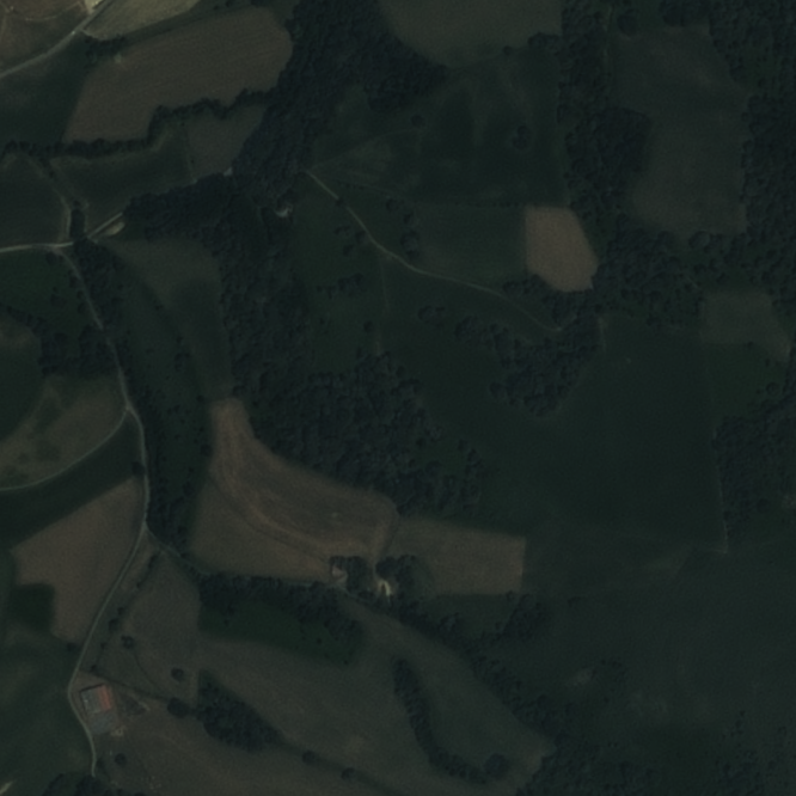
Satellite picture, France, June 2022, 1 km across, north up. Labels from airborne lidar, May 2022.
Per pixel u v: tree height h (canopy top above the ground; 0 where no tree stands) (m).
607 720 0
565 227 0
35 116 0
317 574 0
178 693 0
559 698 0
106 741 0
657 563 0
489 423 0
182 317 0
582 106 8
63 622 0
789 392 11
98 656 0
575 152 17
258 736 15
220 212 14
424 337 0
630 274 12
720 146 0
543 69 0
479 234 0
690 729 0
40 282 0
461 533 0
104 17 0
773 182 18
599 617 0
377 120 0
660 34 0
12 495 0
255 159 22
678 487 0
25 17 0
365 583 0
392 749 0
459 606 0
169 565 0
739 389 0
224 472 0
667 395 0
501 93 0
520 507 0
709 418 0
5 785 0
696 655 0
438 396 0
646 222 0
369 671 0
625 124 19
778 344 0
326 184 0
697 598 0
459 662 0
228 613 9
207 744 0
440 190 0
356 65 20
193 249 0
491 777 12
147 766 0
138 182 0
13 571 0
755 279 12
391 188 0
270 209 12
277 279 23
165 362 0
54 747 0
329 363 0
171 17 0
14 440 0
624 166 19
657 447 0
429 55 0
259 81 0
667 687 0
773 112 18
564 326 14
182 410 10
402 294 0
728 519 11
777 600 0
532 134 13
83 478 0
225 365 0
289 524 0
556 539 0
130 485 0
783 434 19
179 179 0
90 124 0
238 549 0
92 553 0
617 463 0
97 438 0
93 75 0
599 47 18
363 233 10
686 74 0
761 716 0
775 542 0
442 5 0
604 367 0
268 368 18
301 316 19
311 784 0
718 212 0
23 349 0
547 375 13
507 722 0
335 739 0
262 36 0
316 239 0
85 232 11
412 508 18
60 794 14
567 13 10
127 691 0
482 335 18
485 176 0
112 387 0
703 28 0
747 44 7
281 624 0
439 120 0
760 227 13
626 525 0
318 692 0
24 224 0
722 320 0
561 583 0
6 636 0
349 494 0
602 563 0
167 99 0
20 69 0
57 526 0
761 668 0
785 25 16
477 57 0
